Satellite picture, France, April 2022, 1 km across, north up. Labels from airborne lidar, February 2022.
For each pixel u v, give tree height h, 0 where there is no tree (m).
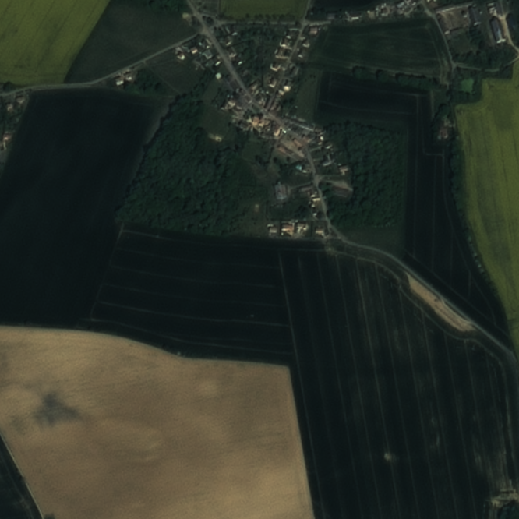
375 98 0
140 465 0
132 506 0
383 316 0
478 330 0
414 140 0
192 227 14
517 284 0
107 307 0
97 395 0
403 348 0
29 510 0
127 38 0
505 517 16
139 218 17
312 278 0
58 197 0
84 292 0
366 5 0
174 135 22
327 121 0
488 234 0
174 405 0
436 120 8
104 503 0
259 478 0
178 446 0
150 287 0
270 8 0
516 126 0
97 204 0
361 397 0
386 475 0
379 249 0
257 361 0
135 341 0
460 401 0
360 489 0
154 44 0
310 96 0
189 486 0
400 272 0
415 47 0
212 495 0
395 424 0
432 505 0
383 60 0
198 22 8
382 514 0
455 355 0
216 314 0
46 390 0
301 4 0
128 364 0
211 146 0
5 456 0
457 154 18
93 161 0
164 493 0
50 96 0
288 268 0
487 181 0
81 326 0
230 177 22
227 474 0
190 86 0
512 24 0
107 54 0
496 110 0
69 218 0
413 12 0
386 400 0
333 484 0
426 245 0
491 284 6
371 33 0
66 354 0
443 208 0
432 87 16
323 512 0
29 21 0
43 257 0
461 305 0
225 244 0
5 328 0
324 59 0
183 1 17
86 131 0
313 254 0
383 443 0
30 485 0
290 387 0
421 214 0
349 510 0
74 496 0
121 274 0
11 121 8
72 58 0
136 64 0
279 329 0
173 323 0
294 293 0
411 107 0
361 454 0
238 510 0
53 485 0
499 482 0
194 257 0
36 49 0
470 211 0
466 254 0
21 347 0
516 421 0
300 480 0
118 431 0
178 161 21
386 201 20
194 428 0
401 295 0
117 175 0
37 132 0
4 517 0
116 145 0
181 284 0
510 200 0
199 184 23
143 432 0
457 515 0
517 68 0
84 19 0
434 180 0
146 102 0
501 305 0
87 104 0
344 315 0
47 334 0
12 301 0
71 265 0
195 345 0
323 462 0
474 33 17
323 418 0
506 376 0
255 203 0
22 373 0
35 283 0
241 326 0
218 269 0
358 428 0
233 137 0
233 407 0
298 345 0
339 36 0
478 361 0
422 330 0
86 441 0
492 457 0
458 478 0
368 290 0
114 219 0
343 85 0
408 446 0
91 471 0
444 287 0
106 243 0
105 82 0
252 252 0
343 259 0
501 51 18
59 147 0
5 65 0
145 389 0
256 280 0
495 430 0
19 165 0
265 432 0
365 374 0
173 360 0
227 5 0
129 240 0
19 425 0
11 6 0
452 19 0
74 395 0
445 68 0
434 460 0
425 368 0
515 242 0
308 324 0
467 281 0
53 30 0
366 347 0
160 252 0
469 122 0
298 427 0
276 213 0
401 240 0
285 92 0
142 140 0
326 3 0
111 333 0
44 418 0
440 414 0
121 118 0
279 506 0
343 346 0
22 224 0
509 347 0
